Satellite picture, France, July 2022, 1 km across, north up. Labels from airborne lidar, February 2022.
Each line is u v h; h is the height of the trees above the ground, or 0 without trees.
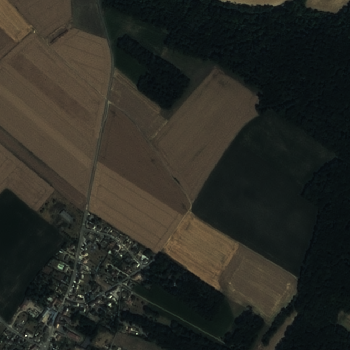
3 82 0
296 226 0
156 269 17
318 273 25
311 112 25
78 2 0
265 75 24
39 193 0
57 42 0
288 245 0
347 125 25
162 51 0
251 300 0
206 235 0
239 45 17
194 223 0
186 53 14
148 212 0
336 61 24
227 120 0
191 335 22
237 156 0
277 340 0
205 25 23
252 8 13
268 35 25
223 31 18
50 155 0
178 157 0
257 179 0
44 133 0
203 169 0
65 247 6
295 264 0
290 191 0
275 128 0
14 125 0
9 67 0
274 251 0
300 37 24
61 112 0
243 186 0
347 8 13
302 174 0
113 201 0
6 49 0
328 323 22
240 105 0
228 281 0
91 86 0
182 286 19
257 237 0
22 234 0
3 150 0
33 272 0
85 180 0
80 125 0
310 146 0
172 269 11
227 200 0
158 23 15
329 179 20
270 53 19
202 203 0
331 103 23
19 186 0
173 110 0
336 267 27
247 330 21
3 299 0
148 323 20
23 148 0
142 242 0
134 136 0
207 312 21
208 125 0
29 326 0
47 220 0
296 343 19
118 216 0
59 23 0
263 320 14
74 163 0
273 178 0
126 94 0
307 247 0
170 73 21
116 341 0
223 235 0
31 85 0
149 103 0
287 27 17
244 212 0
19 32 0
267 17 21
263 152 0
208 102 0
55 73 0
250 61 23
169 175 0
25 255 0
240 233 0
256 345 0
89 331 10
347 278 27
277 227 0
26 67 0
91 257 0
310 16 13
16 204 0
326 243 27
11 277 0
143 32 0
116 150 0
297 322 20
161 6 9
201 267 0
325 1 0
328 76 24
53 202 6
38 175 0
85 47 0
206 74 0
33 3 0
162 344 19
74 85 0
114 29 0
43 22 0
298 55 22
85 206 0
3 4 0
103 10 0
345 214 27
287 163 0
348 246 24
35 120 0
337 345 23
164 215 0
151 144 0
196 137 0
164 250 0
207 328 0
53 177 0
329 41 23
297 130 0
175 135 0
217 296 19
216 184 0
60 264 0
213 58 21
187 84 8
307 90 25
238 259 0
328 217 17
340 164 23
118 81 0
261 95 20
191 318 0
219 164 0
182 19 12
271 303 0
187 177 0
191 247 0
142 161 0
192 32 12
